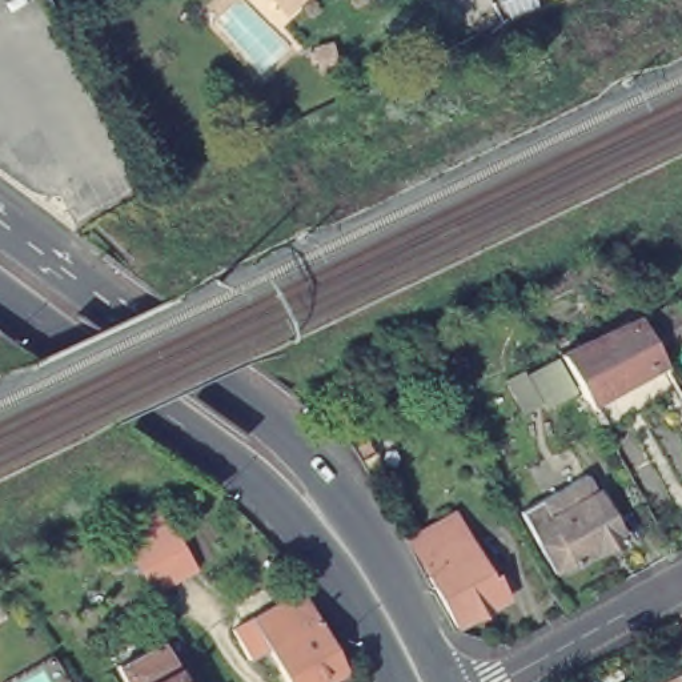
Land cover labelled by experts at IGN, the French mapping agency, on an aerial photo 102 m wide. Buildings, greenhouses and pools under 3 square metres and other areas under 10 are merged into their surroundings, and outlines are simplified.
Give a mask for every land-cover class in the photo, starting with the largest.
<instances>
[{"label":"herbaceous vegetation","instance_id":"1","mask_svg":"<svg viewBox=\"0 0 682 682\"><path fill-rule=\"evenodd\" d=\"M208 3H210V0H144L139 8H131L125 21L104 29H85V37L101 51V56H107L109 64L125 69L128 83L120 91L139 112L141 128L152 133L155 149L165 157V173L173 181L168 194L152 200H144L136 189H131L128 197L88 216L77 226V232L80 237H85L88 245H96L115 261L120 258V253H139L141 280H147V285L160 296V304L192 296L202 290V285H208L210 280L226 282L240 266H256L261 256H269L280 248L298 242L306 232L341 221L357 208L389 200L402 186V181L421 176L434 165H450L458 152H464L472 144H480L501 133H509L517 141L525 133L551 123L559 112L594 101L610 80H631L645 75V69L650 67H669L682 61V0H671L663 8L655 5L642 13H631V19L621 21L615 0H559L565 5L559 35L546 48L538 49L527 79L510 93L493 100H476L469 107L434 101L432 107L426 99H400L397 107H389L384 96H373L370 85L365 91L338 88L333 96H328L317 69L309 61L298 56L290 59L282 67H272L266 72L256 69L226 48V43L210 29V24H208ZM168 40H173L178 51L173 67L163 75L147 56ZM210 69H218L232 80L234 96L264 101L269 107V117L274 120L272 125H258L272 144L248 165H218L205 152L197 120L189 115V107L197 101V91ZM413 29L429 32L437 43L456 53L480 56L488 45L498 43L488 35L482 24H466V19L456 21L442 11H434L429 0H309L293 19L290 32L296 35V40L301 45L314 48L336 45L338 56L349 61H365L368 56L381 53L378 40H386V35H402ZM634 224L645 240L631 253L634 266L655 264L658 269L674 274L682 266V155L661 163L653 171L629 176L615 186L597 192L586 202L565 208L559 216L541 218L527 229L512 232L490 242L488 248H482L480 256L456 261L442 274H432L418 290L386 293L373 304H365V314L349 312L338 320H330L304 333L301 338H293L288 349H282L280 354H261L258 360V370L269 373L298 400L309 392V378L338 368L344 362L349 341L365 336L378 317L434 309L440 298L450 301L461 285L482 282L498 272H509L512 285L517 290H527L533 285L551 288V317L559 320L567 309H575V301H583V290L575 285V277L570 272H581L583 266L599 261V253L594 250L597 234L607 237ZM653 312L626 309L607 322L586 328L578 338L562 344L557 354L525 370L517 365V346H509L498 338H482L477 346H456L448 354V373L461 386L466 413L485 429V434L496 445V464L504 496L512 501L514 512L522 514L525 509L546 501L541 490L530 480V469L538 466L543 458L538 453L535 437L530 434L527 413L517 405V397L509 386L514 376L535 373L562 357H570L578 346L602 338L629 322H650ZM40 360L29 349L16 346L0 330V373L29 368ZM666 410L655 397H650L642 408L626 410L618 421L605 424L613 440L623 442L621 461L629 469L639 496L647 504L655 498H671L669 485L663 482L645 440L658 442L671 474L682 485V426H669L663 421ZM549 426L546 442L551 453L570 450L583 469L597 482V488L613 501L626 527L637 533L642 527V519L629 504L623 488L605 472L599 458L594 456L597 450L581 442V432L573 424H562L554 416V410L543 416ZM109 429L101 432L96 440H75L72 450H67L61 458H37V466L0 485V543L8 541L11 546L21 549L40 543L37 538L43 522L61 517L75 519L85 512H93L99 496L107 490L115 493V501L120 506L157 514L155 498L147 488L168 485L171 496L181 501L189 512L208 514L213 509V496H205L202 501L194 498V485L186 482L194 469L178 456H173L168 448H163L157 440H152L147 432H141L136 421L125 418H112L107 424ZM434 440L432 434H410L402 445L378 440L373 445L378 456L376 466L381 474L400 480V490L408 504L410 519L421 530L429 525V504L458 501L456 514H461L472 530L480 522L493 527L496 538L512 554H517L519 578L527 586H533L535 599L550 594L509 522H498L482 494L485 480L477 474L461 477V466L466 461L461 456L453 458V466H445V458L440 453L429 450V442ZM200 573H205V578L213 586L237 567L258 583L261 565L280 554L274 543L245 517L242 522H237L232 533L213 530V525L202 519L200 533L192 535L186 543ZM666 546L663 538L637 533L626 551H615L613 557L621 567L629 570L658 562L661 557V549ZM139 573L136 559L125 565L104 562L93 551L80 549L59 551L56 557L45 554L37 565H21L13 573L21 586L8 589L0 602V682H45L43 666L56 661L51 650L64 647L80 658L91 682H123L117 677V669L123 666L120 655H112V661L95 657L84 642L88 639V629L99 623L93 613L96 602H101L104 594H109V586L115 581ZM602 573L599 562H594L589 570L559 575L557 594H565L567 599L578 594L583 605H591L602 594L589 591L583 583V578L589 581ZM176 634L168 642L178 655L181 666L189 671L186 682H240L216 650L210 634L189 618V613H173Z\"/></svg>","mask_w":682,"mask_h":682},{"label":"impervious surface","instance_id":"2","mask_svg":"<svg viewBox=\"0 0 682 682\"><path fill-rule=\"evenodd\" d=\"M131 189L123 160L115 155V144L107 133V125L99 120L93 99L83 91L80 80L75 77L67 53L56 48V43L48 35V13L43 11L40 0H0V330L16 346L29 349L40 360L160 304V296L147 285V280H141L139 253H120V258L115 261L96 245H88L85 237H80L77 232V226L88 216L128 197ZM245 0H210V3H208V24H210L216 21V19H218V16H221V13L232 11L234 5H242ZM277 29L290 59L298 56L309 61L314 48L301 45L296 40V35L290 32L293 19L277 5V0H248ZM514 16L506 13L504 0H474L466 19V24H482L488 35L498 43H506L512 35H517L512 24ZM304 408L298 400L269 373L258 370V360H234L210 373H202L181 384L176 392H165L149 402L133 405L125 413V418L136 421L141 432H147L152 440H157L163 448H168L173 456H178L194 469L224 485L229 501L245 517L274 543L280 554L304 559L314 570L317 594L312 602L349 661L354 655H368V682H599L594 677V666L613 661L629 645L642 650L645 655L653 653L645 631L666 626V615L671 613L682 618V551L674 559L661 557L658 562L629 570L621 586L602 594L591 605H583L578 594L567 599L565 594H557V605L543 610L541 621L522 618L533 634L514 645H482L480 626H453L426 578L424 562L413 551V538L400 535L389 519H384L381 506L370 490L373 469L362 461L360 445H309L296 426V416ZM663 392L674 402V408H679L682 416V386L669 370L613 402L599 400L594 413V418L605 424L618 421L626 410L642 408L650 397H655ZM554 410L557 405H541L533 413H527L530 434L535 437L538 453L543 458L538 466L530 469V480L541 490L554 488L557 482L583 469L570 450L551 453L546 442L549 426L543 416ZM663 482L669 485L671 498L682 506V485L671 474L658 442L645 440ZM155 589L168 599L173 613H189V618L210 634L216 650L240 682H258L261 677H258V671H256V661H258V658L248 650V645H240L237 629L266 615L277 605L269 599V591H256L240 605L224 599L218 605L213 586L205 578V573H200L184 578L178 586L165 578H155Z\"/></svg>","mask_w":682,"mask_h":682},{"label":"deciduous trees","instance_id":"3","mask_svg":"<svg viewBox=\"0 0 682 682\"><path fill-rule=\"evenodd\" d=\"M144 0H40L43 11L48 13V35L56 43V48L67 53L75 77L80 80L83 91L93 99L99 120L107 125V133L115 144V155L123 160L131 189H136L144 200H152L168 194L173 181L165 173V157L155 149L152 133L141 128L139 112L120 91L128 83L125 69L109 64L107 56H101V51L85 37V29H104L125 21L131 8H139ZM565 5L559 0H538V8L514 16L512 24L517 35H512L506 43H498L488 45L480 56L456 53L437 43L429 32L413 29L402 35H386V40H378L381 53L368 56L365 61H349L338 56L336 67L317 69L328 96H333L338 88L365 91L370 85L373 96H384L389 107H397L400 99H426L432 107L434 101L469 107L476 100H493L510 93L527 79L538 49L546 48L559 35ZM621 21L631 19V13H642L655 5L663 8L671 0H615ZM178 51L173 40H168L147 56L163 75L173 67ZM189 115L197 120L205 152L218 165H248L272 144L258 125H272L274 120L269 117V107L264 101L234 96L232 80L218 69H210L197 91V101L189 107ZM645 240L634 224L607 237L597 234L594 250L599 253V261L583 266L581 272H570L575 277V285L583 290V301H575V309H567L559 320L551 317V288L533 285L527 290H517L512 285L509 272H498L482 282L461 285L450 301L440 298L434 309L378 317L365 336L349 341L344 362L338 368L309 378V392L298 400L304 408L296 416V426L309 445H373L378 440L402 445L410 434H432L434 440L429 442V450L440 453L445 458V466H453V458L461 456L466 461L461 466V477L477 474V466L496 464V445L485 434V429L466 413L461 386L448 373V354L456 346H477L482 338H498L509 346H517V365L525 370L557 354L562 344L578 338L586 328L607 322L626 309L653 312H671L682 320V266L674 274L658 269L655 264L634 266L631 253ZM666 410L663 421L669 426H682V416L679 408H674V402L663 392L655 397ZM554 416L562 424H573L581 432V442L597 450L594 456L599 458L605 472L623 488L629 504L642 519V527L637 533L663 538L666 546L661 549V557L674 559L682 551V506L671 498H655L647 504L639 496L629 469L621 461L623 442L613 440L605 424L594 418V413L583 410L578 402L557 405L554 410ZM370 490L381 506L384 519H389L400 535L413 538L421 530L410 519L408 504L400 490V480L381 474L376 466L373 469ZM186 482L194 485V498L202 501L205 496H213V509L208 514L189 512L181 501L171 496L168 485L147 488L155 498L157 514L120 506L115 501V493L107 490L99 496L93 512H85L75 519L61 517L43 522L37 538L40 543L21 549L11 546L8 541L0 543V602L8 589L21 586L13 573L21 565H37L45 554L56 557L59 551L80 549L93 551L104 562L125 565L136 559L147 541L155 535V530L165 525H171V530L181 535L186 543L192 535L200 533L202 519L213 525V530L232 533L237 522H242L245 517L229 501L224 485L194 469ZM458 501L429 504V525L445 519L448 514H456ZM218 605L224 599L240 605L256 591H269V599L277 605L312 602L317 594L314 570L304 559L280 554L261 565L258 583L237 567L213 586ZM155 578L139 573L115 581L109 586V594H104L101 602H96L93 613L99 623L88 629V639L84 642L95 657L112 661V655H120L123 666L136 663L144 653L160 650L176 634L173 613L168 599L155 589ZM666 626L645 631L653 653L645 655L642 650L629 645L613 661L594 666V677L599 682H610L607 671H623V682H682V618L671 613L666 615ZM352 677L346 682H368V655H354L349 661ZM256 671H258V677H261L258 682H282V679H280V674H277V669H274V663L269 661V658H258V661H256Z\"/></svg>","mask_w":682,"mask_h":682},{"label":"pervious surface","instance_id":"4","mask_svg":"<svg viewBox=\"0 0 682 682\"><path fill-rule=\"evenodd\" d=\"M682 155V61L669 67H650L645 69V75L631 80H610L594 101L559 112L551 123L525 133L517 141L509 133H501L480 144H472L464 152H458L450 165H434L421 176L402 181V186L389 200L357 208L341 221L306 232L298 242L280 248L269 256H261L256 266H240L226 282L210 280L208 285H202V290L192 296L160 304L40 360L29 368L0 373V485L37 466V458H61L67 450H72L75 440H96L101 432L109 429L107 424L112 418H125V413L133 405L149 402L165 392H176L181 384L202 373H210L234 360H258L261 354H280L282 349H288L293 338H301L304 333L330 320H338L349 312L365 314V304H373L386 293L418 290L432 274H442L456 261L480 256L482 248H488L490 242L512 232L527 229L541 218L559 216L565 208L586 202L597 192L615 186L629 176L653 171L661 163ZM493 567L509 581L512 605L504 610L509 621L522 618L541 621L543 610L557 605V594H550L535 599L533 586H527L519 578L517 554H512L496 538L493 527L480 522L472 530Z\"/></svg>","mask_w":682,"mask_h":682},{"label":"building","instance_id":"5","mask_svg":"<svg viewBox=\"0 0 682 682\"><path fill-rule=\"evenodd\" d=\"M309 0H277V5L293 19ZM506 13L514 16L538 8V0H504ZM338 56L336 45L314 48L309 61L317 69L336 67ZM669 370L682 386V320L671 312H653L650 322H629L602 338L578 346L570 357H562L535 373L514 376L509 386L517 397V405L527 413H533L541 405H557L578 402L583 410L594 413L599 400L613 402ZM362 461L373 469L376 466L378 456L373 445H360ZM546 501L525 509L522 514L533 541L549 559L551 570L559 575L589 570L594 562H599L605 557H613L615 551H626L637 533L626 527L613 501L597 488V482L583 469L557 482L554 488L541 490ZM413 551L424 562L426 578L453 626H480L504 610L512 605L509 581L493 567L472 530L461 514H448L445 519L429 525L421 530L413 538ZM139 573L155 578H165L178 586L184 578L200 573L186 543L181 535L171 530V525H165L155 530V535L147 541L136 559ZM240 645H248V650L258 658H269V661L274 663V669H277V674H280V679H282V682H346L352 677L349 661L312 602L277 605L266 615L237 629ZM117 677L123 682H186L189 671L181 666L178 655L168 642L160 650L144 653L136 663L123 666L117 669ZM610 682H623V671H607Z\"/></svg>","mask_w":682,"mask_h":682},{"label":"brushwood","instance_id":"6","mask_svg":"<svg viewBox=\"0 0 682 682\"><path fill-rule=\"evenodd\" d=\"M434 11H442L456 21L466 19L474 0H429ZM485 480L482 494L498 522H509L550 594H557L559 575L551 570L549 559L533 541L522 514L514 512L512 501L504 496L496 464L477 466V474ZM599 562L602 573L589 581L583 578V583L589 591L602 594L621 586L629 570L621 567L613 557H605ZM482 645H514L533 634L522 618L509 621L504 610L480 626ZM56 661L43 666L45 682H91L80 658L64 647L51 650Z\"/></svg>","mask_w":682,"mask_h":682},{"label":"swimming pool","instance_id":"7","mask_svg":"<svg viewBox=\"0 0 682 682\"><path fill-rule=\"evenodd\" d=\"M210 29L226 43V48L256 69L266 72L272 67H282L290 59L277 29L248 0H245L242 5H234L232 11L221 13V16H218V19H216V21L210 24Z\"/></svg>","mask_w":682,"mask_h":682}]
</instances>
